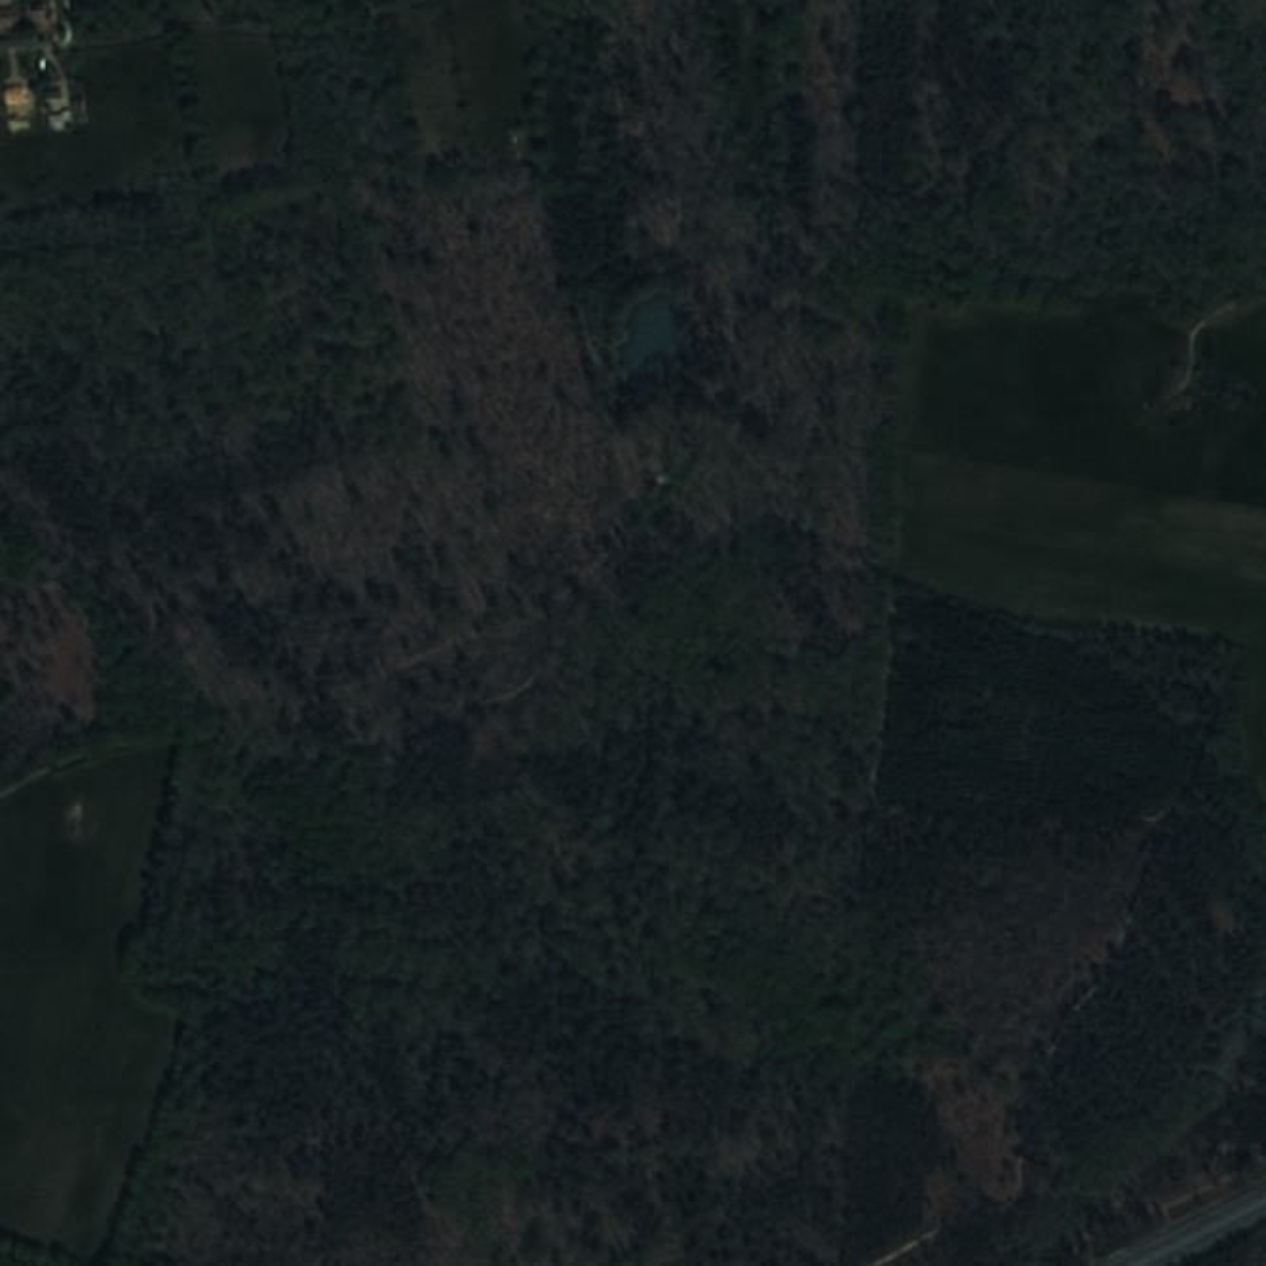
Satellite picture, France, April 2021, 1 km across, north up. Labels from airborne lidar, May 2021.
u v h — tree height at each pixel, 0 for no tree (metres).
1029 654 12
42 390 19
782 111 16
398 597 12
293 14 22
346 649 7
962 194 15
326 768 15
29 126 0
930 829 17
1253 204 20
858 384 16
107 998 0
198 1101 16
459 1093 17
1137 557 0
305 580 17
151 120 0
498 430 9
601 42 13
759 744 12
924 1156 19
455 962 16
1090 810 14
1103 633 14
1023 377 0
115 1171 0
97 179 0
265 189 20
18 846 0
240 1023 23
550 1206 12
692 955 20
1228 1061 20
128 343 19
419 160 21
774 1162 14
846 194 15
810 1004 20
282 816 14
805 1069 18
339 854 21
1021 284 22
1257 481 0
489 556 13
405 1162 22
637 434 17
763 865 18
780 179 19
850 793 18
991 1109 11
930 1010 9
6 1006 0
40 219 13
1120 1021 22
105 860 0
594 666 10
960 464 0
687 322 18
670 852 17
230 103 0
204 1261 11
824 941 13
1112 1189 13
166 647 18
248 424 17
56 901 0
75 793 0
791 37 20
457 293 13
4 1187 0
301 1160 12
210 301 18
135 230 16
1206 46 13
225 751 20
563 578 10
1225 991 22
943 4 12
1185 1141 13
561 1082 6
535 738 17
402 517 14
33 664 12
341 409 13
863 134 16
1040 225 17
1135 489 0
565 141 0
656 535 10
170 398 14
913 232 25
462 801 23
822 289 19
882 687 15
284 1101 21
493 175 18
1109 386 0
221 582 11
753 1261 12
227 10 12
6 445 19
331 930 16
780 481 16
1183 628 0
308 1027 26
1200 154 16
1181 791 10
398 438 16
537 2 12
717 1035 16
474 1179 21
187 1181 10
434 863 19
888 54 22
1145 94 27
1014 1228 10
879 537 14
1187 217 19
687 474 16
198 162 16
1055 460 0
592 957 18
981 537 0
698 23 12
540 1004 16
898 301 20
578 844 13
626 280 16
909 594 11
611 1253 9
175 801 14
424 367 15
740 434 11
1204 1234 0
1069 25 15
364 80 8
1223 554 0
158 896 17
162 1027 0
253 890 14
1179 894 22
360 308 19
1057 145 15
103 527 17
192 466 14
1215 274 13
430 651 8
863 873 10
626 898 14
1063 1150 17
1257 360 0
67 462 18
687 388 15
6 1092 0
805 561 22
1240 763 15
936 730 10
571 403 14
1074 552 0
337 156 18
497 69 0
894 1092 22
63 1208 0
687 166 10
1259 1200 0
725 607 22
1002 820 14
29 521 19
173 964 16
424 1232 26
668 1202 14
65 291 16
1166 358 0
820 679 17
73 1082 0
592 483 11
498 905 21
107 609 18
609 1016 8
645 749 15
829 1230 20
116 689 18
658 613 19
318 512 13
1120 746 11
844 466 11
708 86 7
